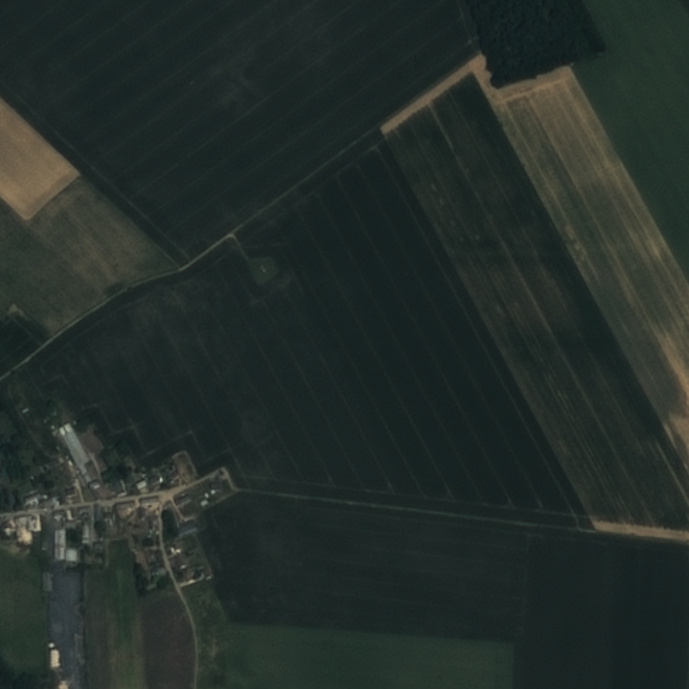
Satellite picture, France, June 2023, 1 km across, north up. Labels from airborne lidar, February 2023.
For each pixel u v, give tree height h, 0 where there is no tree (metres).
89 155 0
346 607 0
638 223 0
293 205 0
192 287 0
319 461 0
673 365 0
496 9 17
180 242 0
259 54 0
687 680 0
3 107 0
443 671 0
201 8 0
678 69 0
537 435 0
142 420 0
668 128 0
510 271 0
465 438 0
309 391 0
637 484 0
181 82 0
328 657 0
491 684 0
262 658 0
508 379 0
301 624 0
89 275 0
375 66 0
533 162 0
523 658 0
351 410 0
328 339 0
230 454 0
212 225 0
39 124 0
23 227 0
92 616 0
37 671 0
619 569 0
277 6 0
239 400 0
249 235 0
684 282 0
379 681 0
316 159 0
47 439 0
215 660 0
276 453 0
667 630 0
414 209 0
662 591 0
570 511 0
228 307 0
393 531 0
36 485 13
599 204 0
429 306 0
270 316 0
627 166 0
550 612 0
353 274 0
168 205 0
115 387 0
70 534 10
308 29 0
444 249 0
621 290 0
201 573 10
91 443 0
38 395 0
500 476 0
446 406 0
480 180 0
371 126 0
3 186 0
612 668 0
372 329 0
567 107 0
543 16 16
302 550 0
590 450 0
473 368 0
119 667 0
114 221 0
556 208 0
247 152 0
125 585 0
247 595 0
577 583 0
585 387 0
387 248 0
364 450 0
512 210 0
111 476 11
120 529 0
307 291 0
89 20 0
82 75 0
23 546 0
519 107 0
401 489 0
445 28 0
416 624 0
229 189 0
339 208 0
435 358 0
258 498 0
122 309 0
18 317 0
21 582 0
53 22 0
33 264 0
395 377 0
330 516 0
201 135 0
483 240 0
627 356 0
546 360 0
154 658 0
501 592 0
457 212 0
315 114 0
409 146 0
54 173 0
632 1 0
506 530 0
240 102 0
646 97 0
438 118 0
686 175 0
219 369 0
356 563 0
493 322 0
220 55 0
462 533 0
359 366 0
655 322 0
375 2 0
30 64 0
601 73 0
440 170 0
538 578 0
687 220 0
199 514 0
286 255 0
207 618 0
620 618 0
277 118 0
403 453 0
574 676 0
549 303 0
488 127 0
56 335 0
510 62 20
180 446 0
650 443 0
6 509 12
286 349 0
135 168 0
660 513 0
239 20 0
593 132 0
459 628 0
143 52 0
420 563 0
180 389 0
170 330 0
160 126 0
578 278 0
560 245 0
